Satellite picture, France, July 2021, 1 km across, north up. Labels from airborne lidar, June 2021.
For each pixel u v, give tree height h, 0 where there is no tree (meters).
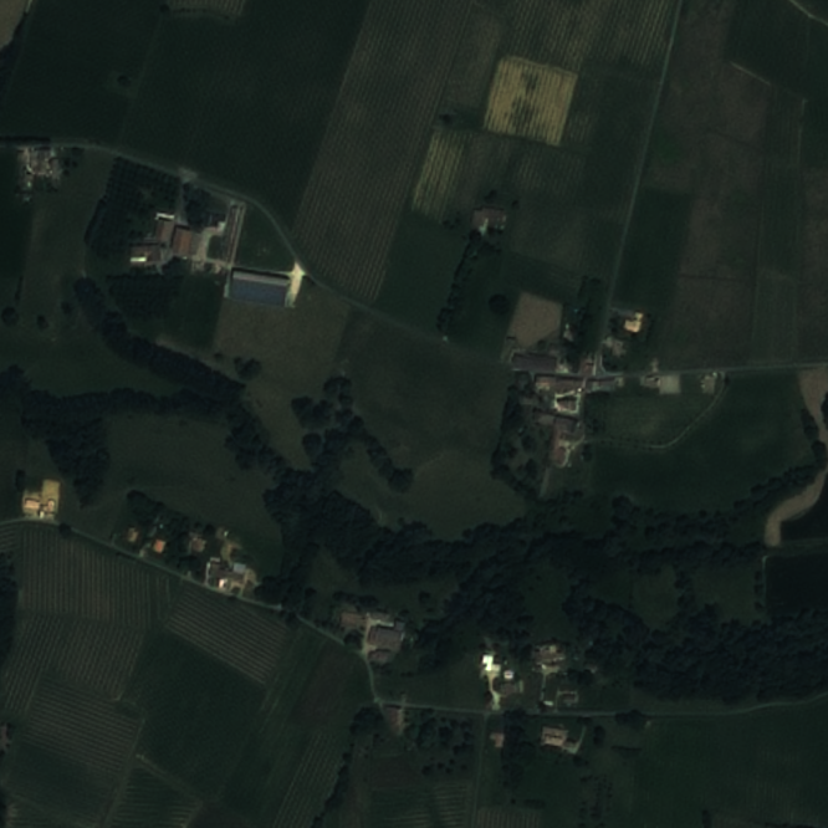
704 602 0
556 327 0
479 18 0
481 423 0
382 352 0
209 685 0
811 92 0
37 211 0
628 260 0
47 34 0
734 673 23
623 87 0
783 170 0
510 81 0
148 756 0
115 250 8
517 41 0
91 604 0
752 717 0
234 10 0
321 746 0
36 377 0
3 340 0
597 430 9
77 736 0
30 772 0
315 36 0
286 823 0
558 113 0
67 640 0
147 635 0
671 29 0
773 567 0
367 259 0
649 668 19
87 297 37
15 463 0
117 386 0
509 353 0
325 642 0
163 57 0
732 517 9
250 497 0
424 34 0
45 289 0
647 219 0
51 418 26
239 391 32
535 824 0
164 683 0
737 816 0
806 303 0
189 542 9
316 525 23
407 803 0
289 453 0
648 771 0
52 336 0
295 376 0
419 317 0
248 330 0
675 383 0
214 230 0
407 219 0
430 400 0
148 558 0
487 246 10
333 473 27
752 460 0
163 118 0
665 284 0
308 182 0
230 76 0
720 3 0
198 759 0
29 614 0
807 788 0
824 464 10
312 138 0
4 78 16
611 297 0
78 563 0
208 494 0
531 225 0
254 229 0
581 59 0
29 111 0
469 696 0
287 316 0
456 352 0
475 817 0
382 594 0
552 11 0
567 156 0
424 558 20
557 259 0
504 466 11
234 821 0
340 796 13
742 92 0
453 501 0
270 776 0
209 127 0
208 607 0
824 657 14
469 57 0
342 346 0
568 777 0
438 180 0
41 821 0
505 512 0
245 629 0
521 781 7
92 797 0
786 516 0
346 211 0
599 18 0
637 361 0
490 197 7
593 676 10
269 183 0
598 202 0
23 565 0
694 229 0
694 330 0
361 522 29
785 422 0
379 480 0
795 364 0
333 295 0
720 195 0
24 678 0
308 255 0
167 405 26
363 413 0
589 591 19
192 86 0
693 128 0
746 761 0
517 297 0
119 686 0
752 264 0
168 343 0
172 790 0
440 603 0
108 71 0
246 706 0
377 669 8
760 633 16
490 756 0
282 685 0
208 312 0
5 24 0
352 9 0
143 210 9
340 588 0
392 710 0
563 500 8
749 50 0
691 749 0
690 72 0
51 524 0
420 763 0
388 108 0
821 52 0
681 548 6
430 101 0
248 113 0
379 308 0
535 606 0
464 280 16
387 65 0
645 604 0
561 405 0
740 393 0
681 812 0
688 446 0
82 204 0
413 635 0
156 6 0
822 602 0
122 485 0
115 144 0
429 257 0
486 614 22
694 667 24
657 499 0
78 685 0
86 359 0
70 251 0
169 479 0
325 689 0
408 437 0
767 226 0
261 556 0
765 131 0
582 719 8
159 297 9
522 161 0
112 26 0
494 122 0
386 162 0
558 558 20
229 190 0
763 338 0
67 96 0
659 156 0
